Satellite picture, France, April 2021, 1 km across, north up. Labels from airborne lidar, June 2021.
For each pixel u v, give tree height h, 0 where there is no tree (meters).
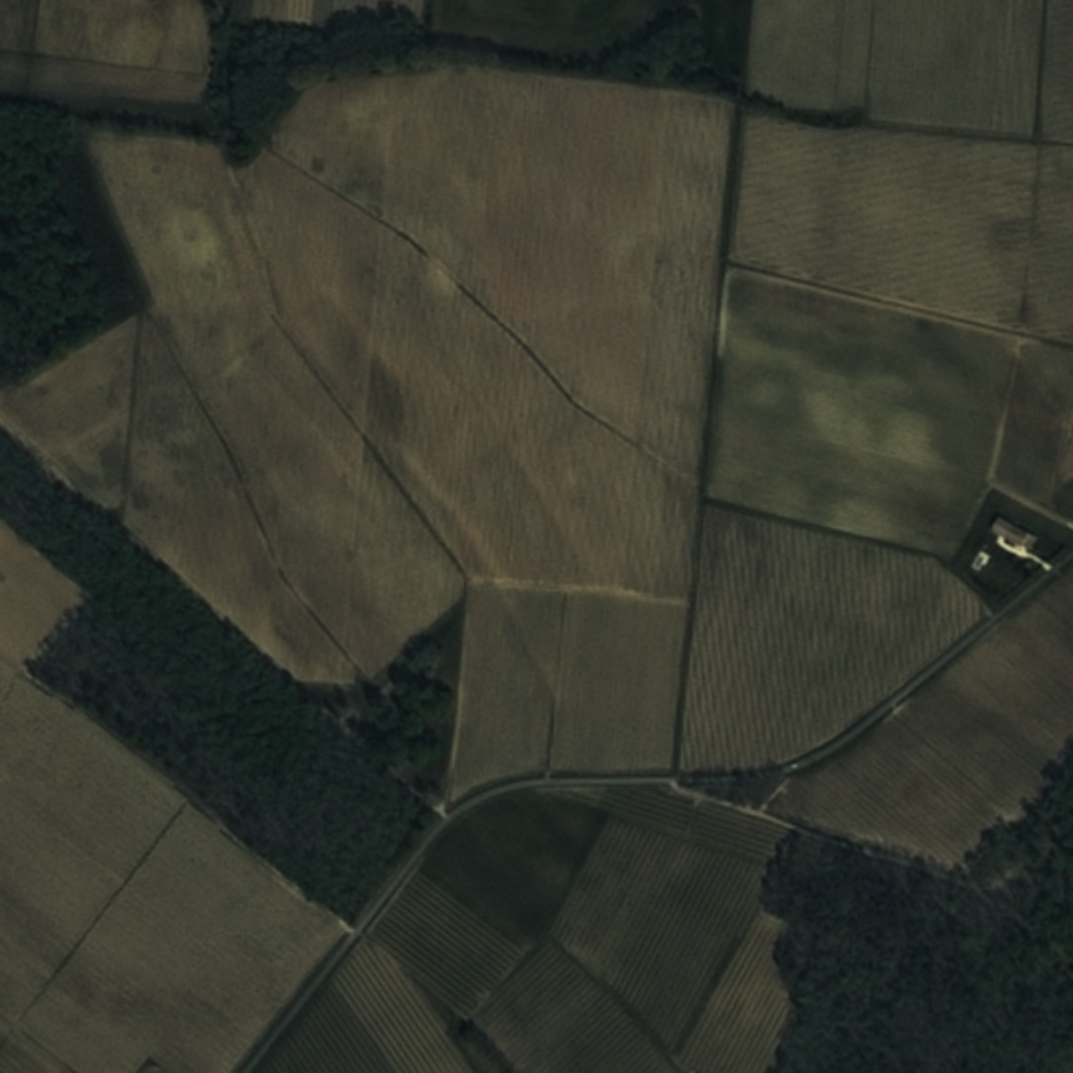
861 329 0
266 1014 0
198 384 0
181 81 0
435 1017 0
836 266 0
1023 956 21
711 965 0
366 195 0
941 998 18
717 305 0
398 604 0
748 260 0
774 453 0
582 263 0
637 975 0
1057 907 24
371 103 0
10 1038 0
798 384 0
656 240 0
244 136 14
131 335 0
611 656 0
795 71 0
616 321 0
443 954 0
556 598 0
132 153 0
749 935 0
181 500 0
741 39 0
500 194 0
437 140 0
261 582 0
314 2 0
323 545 0
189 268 0
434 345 0
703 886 0
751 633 0
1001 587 0
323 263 0
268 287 0
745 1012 0
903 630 0
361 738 19
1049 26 0
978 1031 20
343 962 0
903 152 0
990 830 0
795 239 0
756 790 16
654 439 0
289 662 0
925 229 0
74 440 0
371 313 0
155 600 20
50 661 14
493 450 0
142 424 0
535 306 0
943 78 0
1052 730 0
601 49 0
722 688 0
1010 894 11
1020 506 0
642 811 0
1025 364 0
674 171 0
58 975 0
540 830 0
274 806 19
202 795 15
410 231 0
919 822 0
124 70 0
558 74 9
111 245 8
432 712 22
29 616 0
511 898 0
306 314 0
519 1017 0
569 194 0
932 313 0
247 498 0
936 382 0
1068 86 0
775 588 0
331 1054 0
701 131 0
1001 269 0
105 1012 0
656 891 0
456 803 0
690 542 0
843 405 0
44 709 0
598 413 0
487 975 0
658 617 0
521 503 0
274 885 0
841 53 0
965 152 0
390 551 0
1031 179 0
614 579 0
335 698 0
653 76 23
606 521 0
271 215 0
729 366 0
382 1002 0
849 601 0
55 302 25
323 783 20
